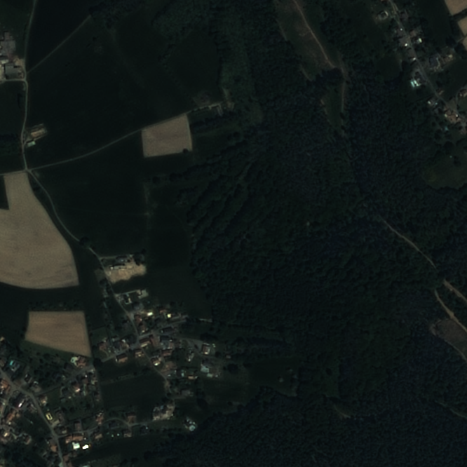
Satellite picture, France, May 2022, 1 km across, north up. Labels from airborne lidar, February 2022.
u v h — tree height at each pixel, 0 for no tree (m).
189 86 0
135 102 0
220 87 12
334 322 25
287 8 35
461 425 32
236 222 25
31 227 0
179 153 0
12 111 0
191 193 17
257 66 22
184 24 20
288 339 22
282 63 16
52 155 0
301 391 17
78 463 0
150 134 0
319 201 26
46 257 0
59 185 0
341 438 25
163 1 0
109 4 23
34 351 0
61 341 0
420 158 21
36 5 0
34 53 0
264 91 23
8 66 0
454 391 24
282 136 22
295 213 30
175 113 0
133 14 0
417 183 17
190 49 0
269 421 20
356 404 26
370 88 29
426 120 11
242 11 19
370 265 21
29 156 0
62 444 7
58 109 0
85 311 0
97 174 0
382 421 31
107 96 0
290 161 31
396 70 0
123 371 0
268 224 26
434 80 0
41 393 0
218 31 15
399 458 30
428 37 15
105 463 0
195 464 23
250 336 0
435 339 22
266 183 27
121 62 0
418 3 0
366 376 27
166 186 0
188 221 8
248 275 20
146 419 0
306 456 19
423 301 21
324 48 0
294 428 21
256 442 16
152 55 0
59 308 0
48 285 0
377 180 26
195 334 0
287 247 20
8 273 0
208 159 8
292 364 0
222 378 0
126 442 0
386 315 20
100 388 0
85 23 0
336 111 0
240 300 20
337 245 27
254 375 0
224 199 9
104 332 0
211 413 0
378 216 27
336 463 17
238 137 16
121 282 0
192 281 0
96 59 0
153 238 0
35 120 0
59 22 0
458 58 0
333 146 26
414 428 22
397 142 19
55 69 0
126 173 0
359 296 27
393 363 25
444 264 35
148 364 0
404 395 33
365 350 25
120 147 0
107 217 0
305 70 0
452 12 0
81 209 0
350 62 8
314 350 19
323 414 27
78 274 0
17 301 0
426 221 25
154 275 0
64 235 0
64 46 0
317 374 24
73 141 0
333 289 17
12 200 0
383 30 0
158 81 0
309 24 0
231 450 16
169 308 0
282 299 17
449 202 23
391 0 0
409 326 26
